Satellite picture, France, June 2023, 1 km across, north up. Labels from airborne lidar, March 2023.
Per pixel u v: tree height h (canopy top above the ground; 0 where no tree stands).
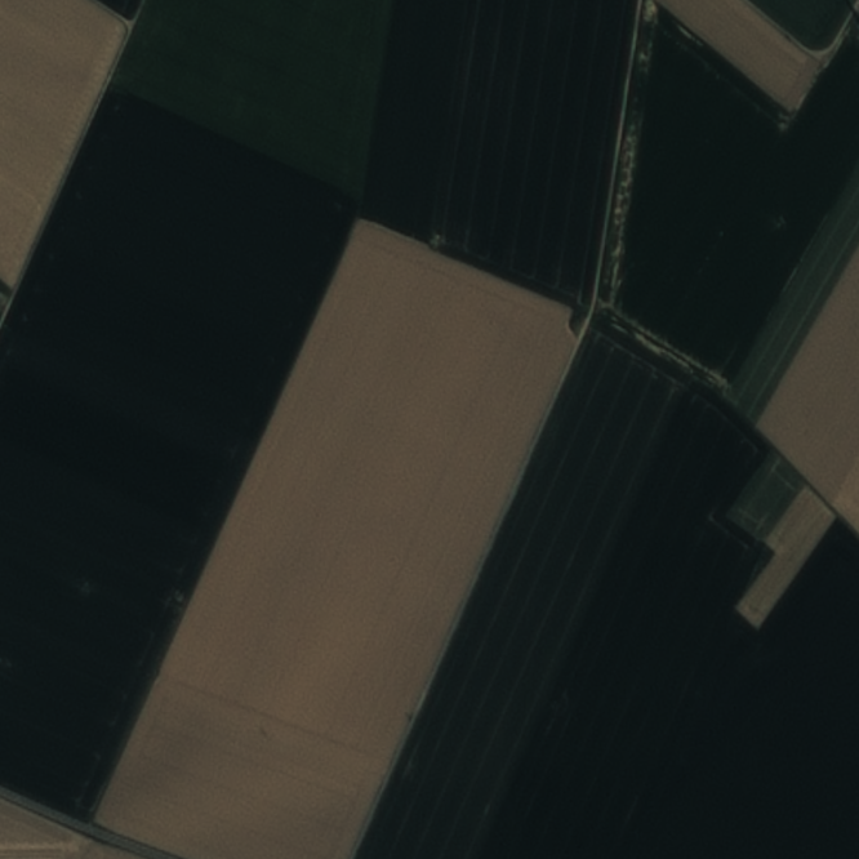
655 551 0
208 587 0
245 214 0
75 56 0
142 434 0
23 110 0
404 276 0
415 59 0
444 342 0
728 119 0
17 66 0
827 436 0
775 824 0
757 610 0
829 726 0
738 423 0
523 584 0
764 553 5
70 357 0
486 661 0
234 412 0
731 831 0
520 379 0
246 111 0
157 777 0
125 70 0
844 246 0
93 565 0
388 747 0
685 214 0
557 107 0
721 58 0
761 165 0
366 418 0
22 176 0
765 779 0
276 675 0
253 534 0
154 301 0
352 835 0
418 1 0
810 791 0
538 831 0
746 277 0
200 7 0
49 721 0
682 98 0
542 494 0
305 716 0
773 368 0
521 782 0
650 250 0
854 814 0
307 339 0
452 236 0
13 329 0
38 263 0
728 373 0
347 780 0
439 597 0
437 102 0
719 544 0
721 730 0
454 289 0
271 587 0
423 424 0
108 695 0
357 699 0
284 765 0
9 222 0
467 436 0
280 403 0
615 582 0
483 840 0
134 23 0
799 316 0
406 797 0
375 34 0
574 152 0
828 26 0
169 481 0
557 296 0
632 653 0
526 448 0
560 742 0
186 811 0
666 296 0
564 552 0
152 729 0
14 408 0
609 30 0
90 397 0
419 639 0
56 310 0
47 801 0
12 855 0
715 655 0
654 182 0
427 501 0
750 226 0
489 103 0
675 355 0
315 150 0
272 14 0
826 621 0
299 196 0
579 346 0
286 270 0
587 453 0
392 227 0
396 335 0
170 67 0
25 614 0
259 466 0
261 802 0
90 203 0
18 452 0
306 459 0
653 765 0
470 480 0
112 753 0
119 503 0
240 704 0
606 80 0
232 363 0
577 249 0
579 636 0
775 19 0
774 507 0
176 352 0
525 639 0
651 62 0
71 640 0
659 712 0
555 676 0
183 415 0
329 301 0
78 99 0
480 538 0
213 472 0
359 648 0
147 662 0
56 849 0
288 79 0
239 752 0
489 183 0
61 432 0
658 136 0
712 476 0
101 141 0
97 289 0
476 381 0
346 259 0
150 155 0
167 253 0
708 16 0
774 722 0
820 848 0
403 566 0
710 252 0
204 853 0
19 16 0
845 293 0
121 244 0
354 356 0
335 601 0
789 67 0
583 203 0
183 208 0
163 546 0
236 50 0
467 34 0
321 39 0
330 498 0
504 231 0
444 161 0
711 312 0
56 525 0
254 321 0
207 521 0
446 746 0
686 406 0
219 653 0
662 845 0
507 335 0
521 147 0
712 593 0
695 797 0
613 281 0
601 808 0
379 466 0
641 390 0
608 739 0
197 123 0
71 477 0
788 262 0
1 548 0
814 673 0
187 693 0
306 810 0
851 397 0
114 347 0
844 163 0
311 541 0
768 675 0
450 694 0
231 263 0
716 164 0
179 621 0
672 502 0
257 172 0
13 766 0
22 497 0
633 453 0
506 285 0
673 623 0
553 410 0
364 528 0
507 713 0
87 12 0
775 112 0
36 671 0
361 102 0
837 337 0
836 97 0
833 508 0
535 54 0
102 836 0
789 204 0
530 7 0
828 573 0
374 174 0
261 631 0
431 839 0
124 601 0
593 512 0
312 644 0
